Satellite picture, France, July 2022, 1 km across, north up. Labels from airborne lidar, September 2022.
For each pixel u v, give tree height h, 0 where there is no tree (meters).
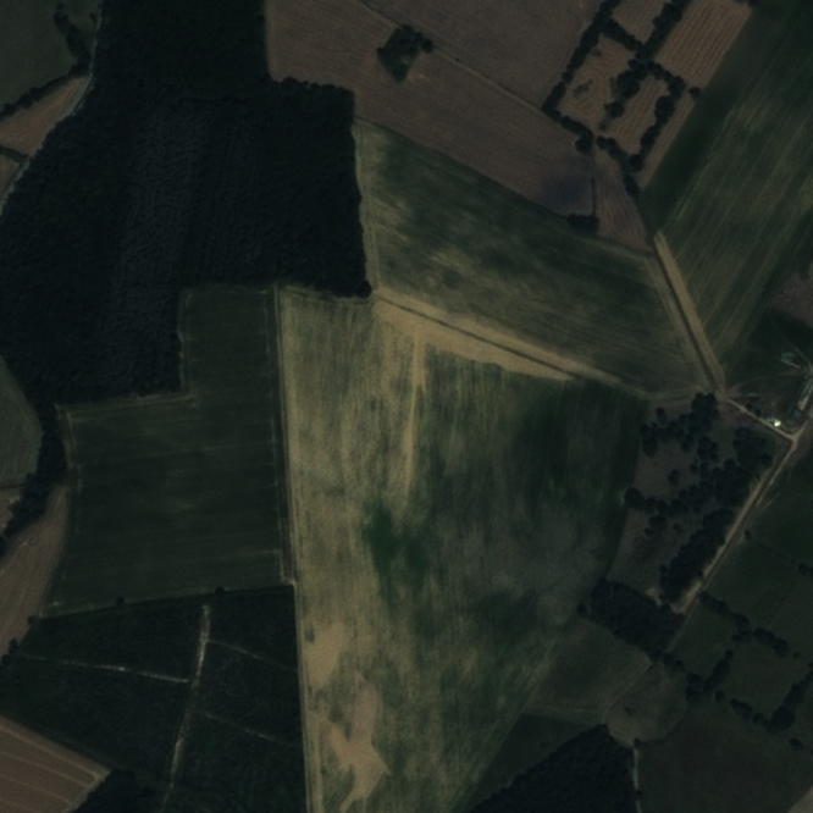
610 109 9
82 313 16
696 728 0
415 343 0
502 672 0
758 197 0
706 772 0
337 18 0
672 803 0
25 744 0
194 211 18
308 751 0
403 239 0
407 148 0
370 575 0
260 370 0
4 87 0
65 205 19
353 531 0
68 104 0
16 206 21
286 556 0
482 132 0
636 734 0
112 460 0
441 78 0
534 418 0
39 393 20
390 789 0
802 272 0
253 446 0
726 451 0
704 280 0
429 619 0
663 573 14
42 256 18
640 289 0
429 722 0
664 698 0
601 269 0
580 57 13
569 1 0
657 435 14
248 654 0
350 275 16
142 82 20
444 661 0
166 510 0
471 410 0
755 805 0
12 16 0
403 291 0
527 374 0
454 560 0
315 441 0
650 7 0
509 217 0
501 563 0
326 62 0
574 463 0
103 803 17
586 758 18
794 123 0
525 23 0
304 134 16
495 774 0
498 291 0
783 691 0
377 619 0
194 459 0
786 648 17
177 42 18
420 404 0
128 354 18
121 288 11
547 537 0
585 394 0
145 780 0
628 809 17
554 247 0
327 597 0
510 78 0
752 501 0
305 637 0
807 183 0
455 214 0
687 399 0
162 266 19
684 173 0
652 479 0
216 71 17
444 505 0
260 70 15
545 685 0
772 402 0
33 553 0
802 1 0
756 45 0
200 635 0
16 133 0
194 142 20
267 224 19
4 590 0
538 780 18
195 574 0
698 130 0
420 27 0
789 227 0
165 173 21
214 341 0
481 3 0
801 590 0
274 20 0
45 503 6
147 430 0
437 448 0
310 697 0
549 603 0
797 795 0
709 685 13
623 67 0
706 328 0
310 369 0
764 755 0
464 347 0
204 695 0
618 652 0
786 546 0
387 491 0
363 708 0
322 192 21
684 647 0
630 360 0
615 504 0
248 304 0
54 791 0
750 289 0
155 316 19
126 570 0
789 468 0
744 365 0
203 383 0
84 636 0
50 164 16
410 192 0
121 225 18
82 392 17
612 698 0
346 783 0
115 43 18
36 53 0
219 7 18
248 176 19
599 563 0
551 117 9
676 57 0
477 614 0
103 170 16
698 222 0
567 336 0
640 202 0
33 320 18
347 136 15
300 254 15
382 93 0
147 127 19
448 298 0
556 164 0
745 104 0
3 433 0
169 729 0
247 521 0
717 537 15
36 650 0
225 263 17
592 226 9
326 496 0
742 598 0
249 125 18
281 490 0
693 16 0
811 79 0
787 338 0
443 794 0
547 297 0
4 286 16
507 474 0
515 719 0
